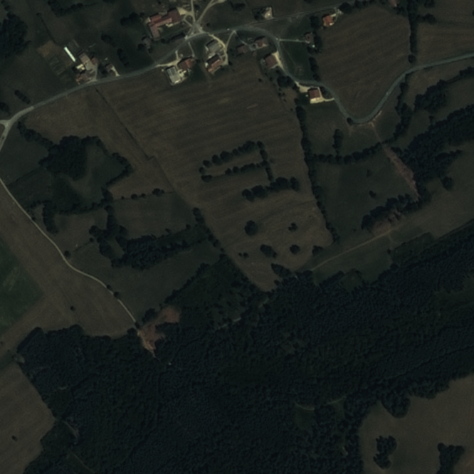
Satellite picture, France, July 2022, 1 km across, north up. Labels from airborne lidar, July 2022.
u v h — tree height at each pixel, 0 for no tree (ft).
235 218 0
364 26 0
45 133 0
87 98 0
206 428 62
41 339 72
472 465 0
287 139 0
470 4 0
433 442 0
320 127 0
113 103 0
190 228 52
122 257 0
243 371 20
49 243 0
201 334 25
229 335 63
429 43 0
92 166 0
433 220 0
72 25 0
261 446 64
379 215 77
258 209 0
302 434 90
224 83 0
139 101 0
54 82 0
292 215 0
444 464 47
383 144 22
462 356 35
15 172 0
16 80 0
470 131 49
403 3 0
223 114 0
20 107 0
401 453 0
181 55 0
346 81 0
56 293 0
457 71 0
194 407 67
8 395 0
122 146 0
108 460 45
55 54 0
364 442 0
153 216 0
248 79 0
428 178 85
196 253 0
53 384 59
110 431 48
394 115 0
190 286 43
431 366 44
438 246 27
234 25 0
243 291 79
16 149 0
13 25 67
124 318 0
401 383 34
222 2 0
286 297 43
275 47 0
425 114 0
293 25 0
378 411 0
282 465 64
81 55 0
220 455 83
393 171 0
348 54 0
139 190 0
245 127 0
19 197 0
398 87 0
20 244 0
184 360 60
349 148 0
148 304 0
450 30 0
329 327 83
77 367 60
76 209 55
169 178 0
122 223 0
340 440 108
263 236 0
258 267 0
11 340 0
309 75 0
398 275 67
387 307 70
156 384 74
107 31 0
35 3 0
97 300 0
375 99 0
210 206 0
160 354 59
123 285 0
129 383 58
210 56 0
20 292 0
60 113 0
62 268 0
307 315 64
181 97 0
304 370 58
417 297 78
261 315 77
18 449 0
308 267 0
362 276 23
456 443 0
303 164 0
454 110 0
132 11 0
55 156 56
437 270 67
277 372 41
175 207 0
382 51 0
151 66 0
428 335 45
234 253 0
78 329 51
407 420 0
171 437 55
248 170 53
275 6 0
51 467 61
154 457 68
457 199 0
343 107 0
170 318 0
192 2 0
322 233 0
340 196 0
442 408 0
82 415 71
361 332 74
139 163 0
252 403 39
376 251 0
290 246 0
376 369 54
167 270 0
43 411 0
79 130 0
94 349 82
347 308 77
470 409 0
